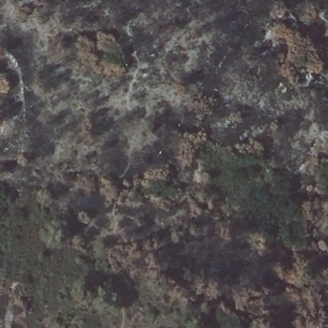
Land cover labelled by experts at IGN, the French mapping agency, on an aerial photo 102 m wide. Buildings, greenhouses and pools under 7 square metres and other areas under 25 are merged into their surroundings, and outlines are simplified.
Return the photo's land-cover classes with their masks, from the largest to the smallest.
<instances>
[{"label":"bare soil","instance_id":"1","mask_svg":"<svg viewBox=\"0 0 328 328\"><path fill-rule=\"evenodd\" d=\"M275 24H283L292 32H299L301 37L310 38L319 60L322 61L323 68L319 73L305 76L297 70L292 74L295 81L292 85L279 73L282 67L279 55L287 54L288 46L284 38H277L275 33L270 31ZM100 32L115 37V42L124 54L122 64L101 61V64L96 65V56L91 54V44L97 41L96 35ZM328 140V0H0V181L8 179L15 190L23 188L26 191H40L50 195V205L45 206V218L49 222L60 219L67 222L60 227L61 242L77 236L79 246L91 250L94 249L95 237L101 234L104 237L102 245L109 249L115 245L129 247L136 243V249L140 252L138 259L145 261L147 256L154 255L155 263L160 265V274L164 275V278L174 279L179 287L183 290L186 286L196 284V293L209 296L211 299L220 295L233 299V296L241 291L259 292L265 287L269 288V295L264 300V309L268 310V314L264 315L263 323L270 328H296V305L287 296L288 282L278 277L274 272L275 266H281L283 272L291 274L295 261H307L305 273L311 278L318 277L324 269H328V236L324 241H319V250L314 251H292L283 245L282 241L268 243L265 246L264 237L256 233L258 225L254 219H240L223 213L225 192L222 187L208 183V174L202 172V160L199 158L200 152L214 158L218 154L236 155L238 151L263 150L264 160H270L269 167H273L274 176L281 177L290 184L288 192L291 200L296 205H302L304 217L318 225L324 234H328V202H307V191L302 190L300 182L301 173L313 176L318 165L319 147H325ZM150 179H165V184L176 190L173 192L174 200L170 201V204H164L163 199L154 195H151V199L145 197L142 201L135 200L137 186L149 187ZM26 305L22 300H9L5 293L0 295V328H28L24 319Z\"/></svg>","mask_w":328,"mask_h":328},{"label":"herbaceous vegetation","instance_id":"2","mask_svg":"<svg viewBox=\"0 0 328 328\"><path fill-rule=\"evenodd\" d=\"M50 195L40 191H26L23 188L15 190L8 179L0 181V295L5 293L9 300H22L26 305L24 319L28 328H196V319H192L191 322L186 320L187 299L179 292V287L174 279L164 278V275L160 274V265L155 263L154 255L147 256L145 261L138 259L140 252L136 249V243L129 247L115 245L109 249L102 245L104 237L101 234L95 237L94 249L91 250L79 246L77 236L61 242L60 227L67 222L60 219L49 222L45 218V206L50 205ZM105 273H114V277L118 279L120 297L126 301L123 309L115 307L114 310H102L99 314L95 305L87 304L78 297L73 300L70 287L79 275L87 279H100Z\"/></svg>","mask_w":328,"mask_h":328},{"label":"coniferous trees","instance_id":"3","mask_svg":"<svg viewBox=\"0 0 328 328\"><path fill-rule=\"evenodd\" d=\"M270 31L275 33L277 38H284L288 46L287 54L279 55L282 67L279 73L292 85L295 81L292 74L297 70L305 76L319 73L323 68L322 61L319 60L310 38L301 37L299 32H292L283 24H275ZM302 190L307 191V202H328V140L325 147H319L318 165L313 176L301 173L300 182ZM307 261H295L291 274L283 272L281 266H275L274 272L278 277L288 282L287 296L296 305V328H328V269H324L318 277L311 278L305 273ZM114 273H105L100 279H87L79 275L70 287L73 300L78 297L87 304L95 305L99 314L102 310H114L115 307L123 309L126 301L120 297L118 279L114 277ZM179 292L187 299L186 320L191 322L192 319H196V328H270L263 323L264 315L268 314V310L264 309V300L269 295V288L265 287L259 292L241 291L233 296V299L220 295L211 299L209 296L196 293V284L186 286L183 290L179 287Z\"/></svg>","mask_w":328,"mask_h":328},{"label":"brushwood","instance_id":"4","mask_svg":"<svg viewBox=\"0 0 328 328\"><path fill-rule=\"evenodd\" d=\"M97 41L91 44V54L96 56V65L101 64V61L122 64L124 54L115 42V37L100 32L96 35ZM202 160V172L208 174V183L222 187L225 192L223 213L240 219H254L258 225L256 233L264 237L265 246L268 243L282 241L283 245L292 251H314L319 250V241H324L328 236V234H324L318 225L304 217L302 205H296L291 200L288 192L290 184L281 177L274 176L273 167H269L270 160H264L263 150L238 151L236 155L218 154L214 158L200 152L199 158ZM176 190L165 184V179H150L149 187L137 186L135 200L142 201L145 197L151 199V195H154L163 199L164 204H170V201L174 200L173 192Z\"/></svg>","mask_w":328,"mask_h":328}]
</instances>
